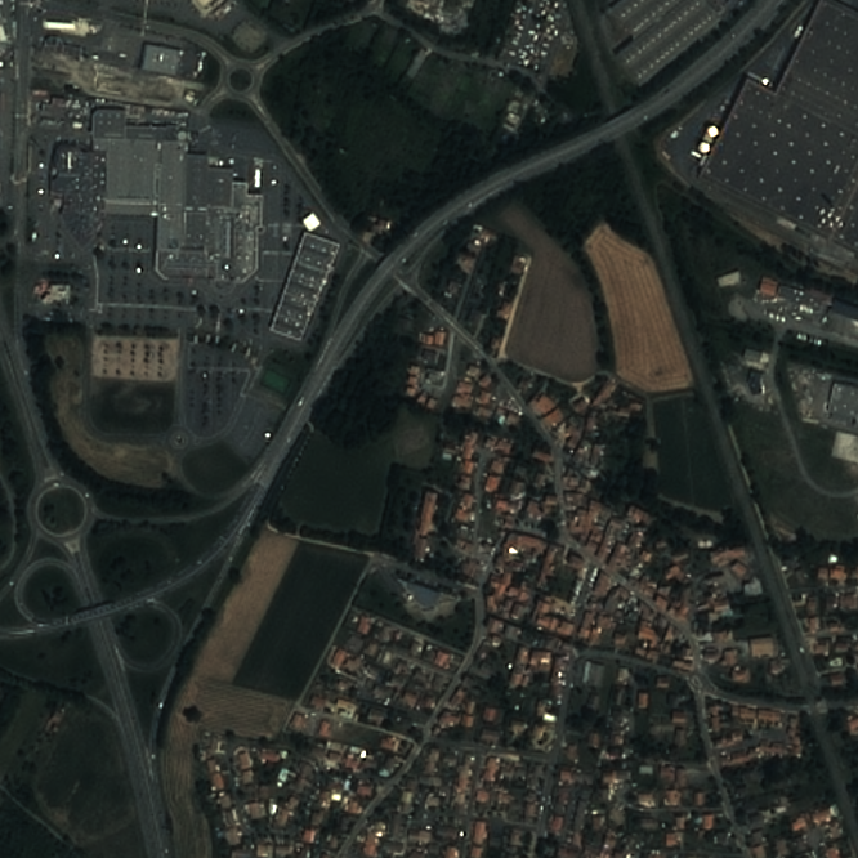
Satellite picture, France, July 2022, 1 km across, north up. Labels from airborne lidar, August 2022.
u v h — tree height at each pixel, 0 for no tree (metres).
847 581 7
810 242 0
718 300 0
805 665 0
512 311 0
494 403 0
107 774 0
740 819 8
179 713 0
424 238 0
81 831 0
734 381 0
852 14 0
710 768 0
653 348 0
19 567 0
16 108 0
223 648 0
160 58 0
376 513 0
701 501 0
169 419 0
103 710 0
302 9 0
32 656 0
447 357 0
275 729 0
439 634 13
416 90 0
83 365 0
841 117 0
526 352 0
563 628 0
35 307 0
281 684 0
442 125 7
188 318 0
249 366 0
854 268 0
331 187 7
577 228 8
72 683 6
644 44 0
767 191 0
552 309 0
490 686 11
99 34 0
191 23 0
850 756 7
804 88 0
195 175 0
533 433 10
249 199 0
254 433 0
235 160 0
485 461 0
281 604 0
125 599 0
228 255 0
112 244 7
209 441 0
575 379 0
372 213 6
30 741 0
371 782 6
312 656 0
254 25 0
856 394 0
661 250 0
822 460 0
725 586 0
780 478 0
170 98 0
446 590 8
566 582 0
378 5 0
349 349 0
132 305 0
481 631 0
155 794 0
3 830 5
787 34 0
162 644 0
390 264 0
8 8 0
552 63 0
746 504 0
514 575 7
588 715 18
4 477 0
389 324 7
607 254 0
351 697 6
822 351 12
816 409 0
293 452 7
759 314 0
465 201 0
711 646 0
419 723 0
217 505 0
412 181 16
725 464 0
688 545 9
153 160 0
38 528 0
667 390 0
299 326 0
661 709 0
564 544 0
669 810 0
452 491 7
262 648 0
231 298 0
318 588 0
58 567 0
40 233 0
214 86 0
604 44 0
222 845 6
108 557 0
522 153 14
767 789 10
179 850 0
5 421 12
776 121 0
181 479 0
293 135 11
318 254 0
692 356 0
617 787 0
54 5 0
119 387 0
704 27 0
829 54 0
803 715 9
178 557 0
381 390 14
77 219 0
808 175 0
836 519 0
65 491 0
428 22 9
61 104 0
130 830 0
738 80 0
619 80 0
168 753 0
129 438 0
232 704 0
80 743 0
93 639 0
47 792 0
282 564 0
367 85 10
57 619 0
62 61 0
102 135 0
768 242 0
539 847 8
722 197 0
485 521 0
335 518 0
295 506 0
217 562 0
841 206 0
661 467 0
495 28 8
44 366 21
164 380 0
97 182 0
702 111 0
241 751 0
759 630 0
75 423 0
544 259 0
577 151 0
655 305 0
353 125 0
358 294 0
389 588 0
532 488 7
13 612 0
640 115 0
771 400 0
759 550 0
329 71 8
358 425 12
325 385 0
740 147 0
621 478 6
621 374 0
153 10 0
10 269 11
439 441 10
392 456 0
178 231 0
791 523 0
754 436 0
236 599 0
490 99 0
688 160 0
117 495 10
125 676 0
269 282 0
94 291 0
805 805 0
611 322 0
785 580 0
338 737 0
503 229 0
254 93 0
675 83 0
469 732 0
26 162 0
